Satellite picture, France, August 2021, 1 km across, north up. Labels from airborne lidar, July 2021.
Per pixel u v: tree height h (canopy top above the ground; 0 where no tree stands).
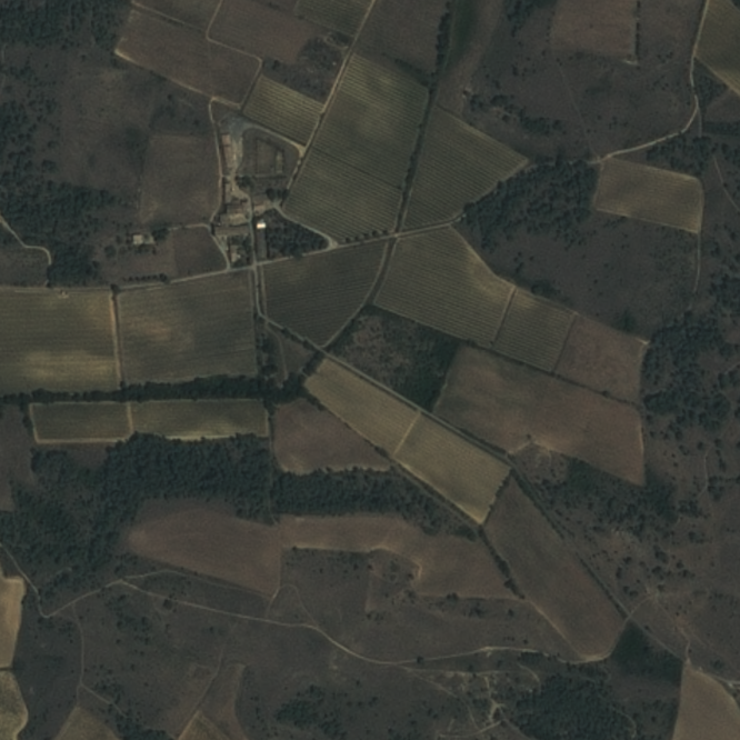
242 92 0
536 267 0
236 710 0
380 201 0
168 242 0
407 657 0
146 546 0
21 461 0
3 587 0
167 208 0
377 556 0
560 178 13
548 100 0
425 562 0
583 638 0
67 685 0
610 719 9
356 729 0
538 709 10
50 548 7
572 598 0
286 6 0
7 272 0
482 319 0
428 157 0
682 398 14
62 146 0
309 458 0
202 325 0
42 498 6
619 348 0
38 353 0
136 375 0
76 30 11
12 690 0
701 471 0
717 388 11
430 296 0
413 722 9
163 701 0
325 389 0
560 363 0
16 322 0
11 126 14
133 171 0
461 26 0
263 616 0
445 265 0
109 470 13
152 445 14
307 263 0
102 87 0
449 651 0
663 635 0
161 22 0
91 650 0
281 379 0
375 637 0
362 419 0
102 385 0
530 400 0
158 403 0
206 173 0
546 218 15
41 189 11
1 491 0
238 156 0
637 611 0
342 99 0
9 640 0
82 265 9
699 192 0
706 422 15
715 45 0
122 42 0
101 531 11
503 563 8
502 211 12
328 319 0
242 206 0
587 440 0
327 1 0
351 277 0
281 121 0
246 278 0
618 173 0
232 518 0
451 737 0
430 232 0
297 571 0
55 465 13
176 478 15
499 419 0
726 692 0
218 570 0
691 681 0
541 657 10
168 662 0
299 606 0
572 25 0
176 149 0
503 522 0
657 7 0
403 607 0
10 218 9
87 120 0
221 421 0
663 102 0
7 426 0
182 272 0
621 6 0
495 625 0
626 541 0
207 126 0
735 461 0
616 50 0
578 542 0
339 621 0
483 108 10
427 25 0
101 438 0
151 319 0
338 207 0
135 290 0
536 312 0
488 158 0
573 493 7
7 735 0
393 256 0
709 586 0
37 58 0
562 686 7
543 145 0
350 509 15
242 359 0
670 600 0
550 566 0
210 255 0
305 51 0
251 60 0
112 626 0
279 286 0
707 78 7
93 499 7
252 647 0
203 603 0
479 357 0
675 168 10
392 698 0
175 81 0
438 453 0
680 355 11
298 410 0
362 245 8
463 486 0
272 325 0
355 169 0
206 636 0
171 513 0
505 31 0
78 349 0
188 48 0
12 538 11
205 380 11
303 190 0
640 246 0
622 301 0
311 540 0
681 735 0
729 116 0
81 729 0
